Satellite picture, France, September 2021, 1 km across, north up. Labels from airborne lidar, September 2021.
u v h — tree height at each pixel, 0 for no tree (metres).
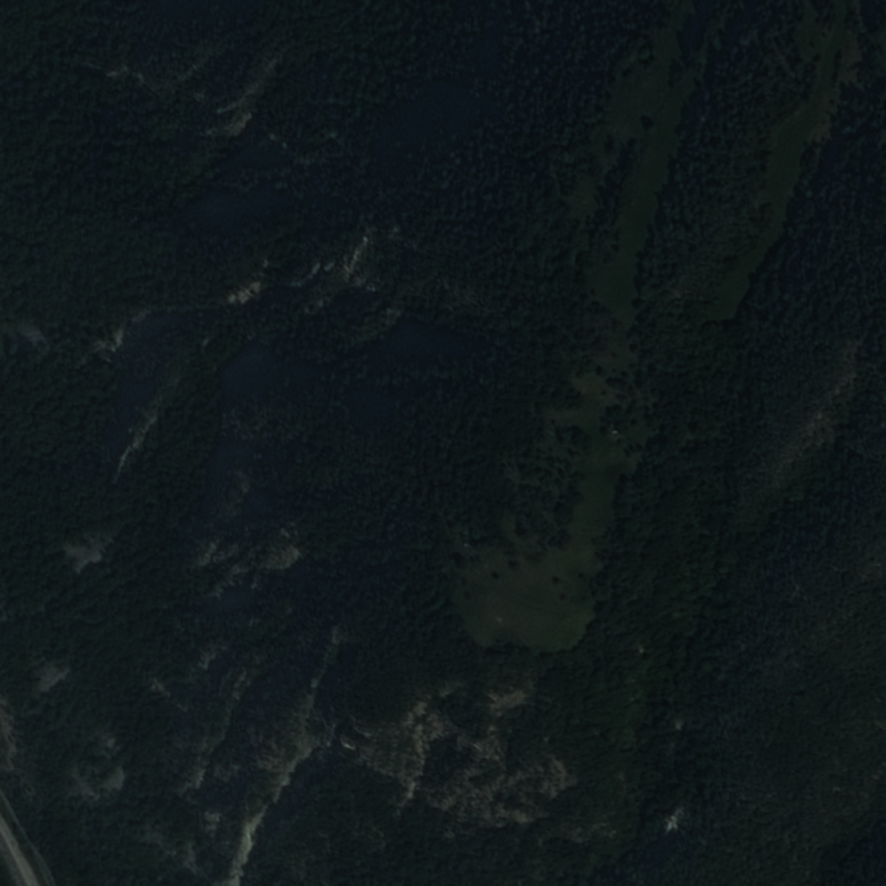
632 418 9
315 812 9
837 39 0
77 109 27
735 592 23
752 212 20
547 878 23
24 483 25
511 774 12
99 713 20
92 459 23
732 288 0
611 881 26
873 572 8
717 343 15
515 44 30
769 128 19
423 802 13
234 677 7
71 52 9
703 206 18
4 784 16
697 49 20
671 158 0
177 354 11
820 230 20
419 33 23
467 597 8
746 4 0
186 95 15
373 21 23
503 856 18
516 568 12
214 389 18
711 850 14
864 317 11
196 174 14
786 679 15
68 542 15
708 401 17
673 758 21
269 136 15
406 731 6
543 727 14
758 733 17
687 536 26
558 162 15
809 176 12
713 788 20
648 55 10
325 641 6
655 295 17
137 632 13
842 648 12
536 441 15
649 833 32
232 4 12
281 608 13
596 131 6
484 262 28
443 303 15
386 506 27
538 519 21
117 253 24
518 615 0
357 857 17
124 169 30
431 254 17
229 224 15
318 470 17
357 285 6
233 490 7
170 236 17
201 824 8
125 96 12
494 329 17
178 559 10
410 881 22
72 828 17
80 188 23
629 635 24
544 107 27
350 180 6
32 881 0
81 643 20
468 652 18
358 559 10
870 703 17
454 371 22
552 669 9
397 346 16
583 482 13
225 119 8
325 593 14
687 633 22
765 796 11
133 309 19
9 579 18
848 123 8
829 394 7
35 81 24
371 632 21
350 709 12
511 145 35
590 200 0
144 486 27
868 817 20
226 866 6
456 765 15
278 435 12
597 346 20
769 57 12
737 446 24
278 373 9
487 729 12
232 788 7
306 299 13
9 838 0
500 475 15
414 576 21
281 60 13
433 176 12
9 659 18
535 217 25
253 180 11
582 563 0
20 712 7
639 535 23
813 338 15
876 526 17
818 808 10
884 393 14
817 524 16
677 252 20
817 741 17
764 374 22
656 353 18
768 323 22
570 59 29
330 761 6
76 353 15
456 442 23
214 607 0
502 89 25
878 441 12
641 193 0
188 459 23
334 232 12
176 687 9
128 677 18
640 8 23
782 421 11
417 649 22
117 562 18
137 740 13
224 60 15
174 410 15
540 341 17
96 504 17
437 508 15
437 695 20
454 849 14
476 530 17
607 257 14
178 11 18
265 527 8
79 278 28
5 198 19
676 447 13
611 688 27
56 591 16
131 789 20
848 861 26
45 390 17
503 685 17
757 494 16
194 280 20
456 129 18
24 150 23
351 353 16
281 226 20
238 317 11
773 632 9
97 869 15
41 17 19
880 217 19
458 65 24
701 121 24
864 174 16
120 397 14
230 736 17
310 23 20
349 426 14
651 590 14
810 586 14
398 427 19
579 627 0
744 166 19
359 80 25
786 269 25
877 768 14
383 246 18
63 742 17
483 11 21
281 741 8
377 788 9
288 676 20
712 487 25
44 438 21
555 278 12
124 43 17
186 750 8
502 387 17
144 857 13
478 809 7
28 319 20
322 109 14
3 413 18
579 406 18
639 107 0
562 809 23
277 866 8
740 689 18
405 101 25
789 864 18
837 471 25
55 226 15
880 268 11
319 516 18
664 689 33
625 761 28
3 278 14
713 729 15
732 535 19
